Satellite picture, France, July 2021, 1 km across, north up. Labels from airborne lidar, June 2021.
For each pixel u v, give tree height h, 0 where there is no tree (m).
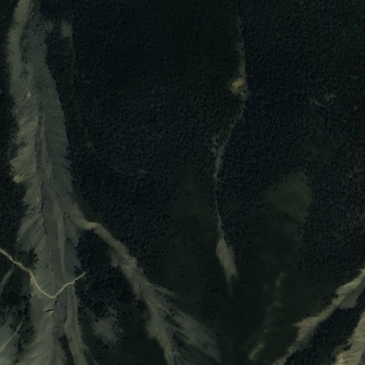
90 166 13
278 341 0
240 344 0
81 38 15
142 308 18
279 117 21
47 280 0
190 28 27
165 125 11
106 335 0
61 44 14
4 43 16
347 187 12
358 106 9
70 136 14
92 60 16
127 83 19
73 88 17
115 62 20
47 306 0
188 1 20
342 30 7
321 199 15
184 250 0
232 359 0
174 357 0
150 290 0
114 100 13
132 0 11
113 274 21
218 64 22
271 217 0
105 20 22
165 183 16
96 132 10
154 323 0
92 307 8
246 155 17
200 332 0
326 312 0
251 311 0
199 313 0
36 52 0
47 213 0
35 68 0
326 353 0
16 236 7
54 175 0
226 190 9
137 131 14
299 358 15
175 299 0
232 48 26
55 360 0
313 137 8
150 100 7
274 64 17
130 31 15
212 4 22
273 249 0
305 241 8
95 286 7
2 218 10
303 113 11
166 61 16
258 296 0
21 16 0
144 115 12
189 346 0
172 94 9
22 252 8
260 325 0
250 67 13
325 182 10
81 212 0
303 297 0
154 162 9
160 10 20
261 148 25
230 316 0
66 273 0
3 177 12
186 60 15
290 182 0
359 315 16
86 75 9
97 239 19
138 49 20
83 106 10
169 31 17
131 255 8
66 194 0
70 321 0
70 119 10
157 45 21
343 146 13
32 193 0
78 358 0
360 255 11
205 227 0
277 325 0
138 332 0
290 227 0
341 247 8
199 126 20
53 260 0
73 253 0
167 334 0
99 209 12
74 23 10
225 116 18
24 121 0
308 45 13
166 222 7
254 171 19
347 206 15
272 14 14
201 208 0
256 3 16
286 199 0
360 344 0
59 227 0
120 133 13
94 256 23
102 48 21
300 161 6
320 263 18
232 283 0
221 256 0
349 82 24
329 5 16
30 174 0
